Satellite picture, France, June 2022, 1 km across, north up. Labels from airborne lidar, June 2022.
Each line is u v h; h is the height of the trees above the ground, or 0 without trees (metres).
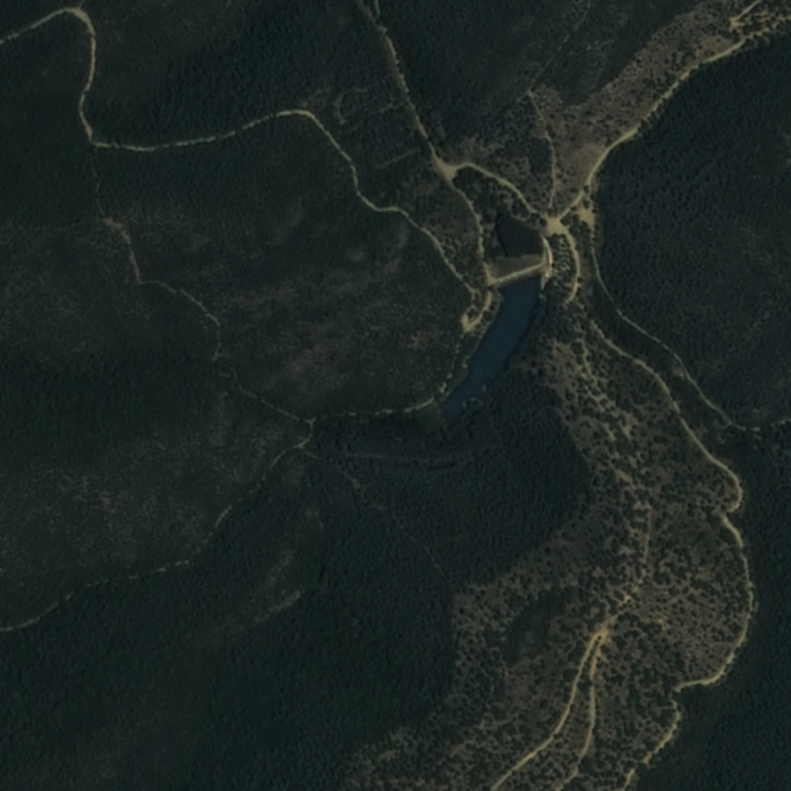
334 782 6
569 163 0
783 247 6
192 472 6
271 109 9
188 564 6
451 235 6
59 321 6
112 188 9
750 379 8
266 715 5
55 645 12
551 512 8
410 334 7
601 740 10
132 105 13
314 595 11
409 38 7
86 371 7
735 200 8
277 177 9
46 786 6
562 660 7
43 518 7
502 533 12
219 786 9
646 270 7
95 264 6
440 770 7
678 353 6
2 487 6
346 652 10
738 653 9
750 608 10
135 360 13
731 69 11
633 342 12
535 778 8
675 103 10
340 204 7
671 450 9
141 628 8
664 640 8
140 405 8
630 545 7
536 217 9
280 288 6
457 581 9
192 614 7
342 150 7
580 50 7
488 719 6
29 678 8
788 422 7
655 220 7
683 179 13
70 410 6
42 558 7
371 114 12
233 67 10
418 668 8
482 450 16
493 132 9
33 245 9
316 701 9
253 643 9
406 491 11
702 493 8
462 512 7
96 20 8
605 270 12
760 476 13
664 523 7
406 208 7
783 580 11
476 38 5
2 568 6
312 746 9
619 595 9
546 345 7
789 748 12
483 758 7
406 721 9
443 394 14
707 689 10
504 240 21
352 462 12
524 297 0
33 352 10
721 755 15
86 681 8
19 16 6
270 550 7
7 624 9
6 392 8
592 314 10
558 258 8
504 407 13
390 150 11
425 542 8
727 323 8
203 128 11
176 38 11
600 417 9
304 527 10
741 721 13
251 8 12
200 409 6
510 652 8
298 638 12
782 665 8
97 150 12
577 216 8
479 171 8
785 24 8
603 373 8
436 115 17
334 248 8
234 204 7
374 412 8
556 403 14
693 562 8
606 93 0
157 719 6
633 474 7
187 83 10
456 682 9
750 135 7
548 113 0
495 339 0
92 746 6
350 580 8
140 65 11
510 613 7
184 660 7
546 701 8
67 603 12
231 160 7
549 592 10
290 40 14
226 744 6
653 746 9
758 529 12
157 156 9
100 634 9
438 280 6
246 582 7
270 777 9
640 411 8
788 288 7
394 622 6
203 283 7
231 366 7
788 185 9
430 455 16
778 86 12
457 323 6
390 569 12
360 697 7
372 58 13
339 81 11
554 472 13
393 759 7
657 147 14
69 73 6
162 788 6
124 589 8
